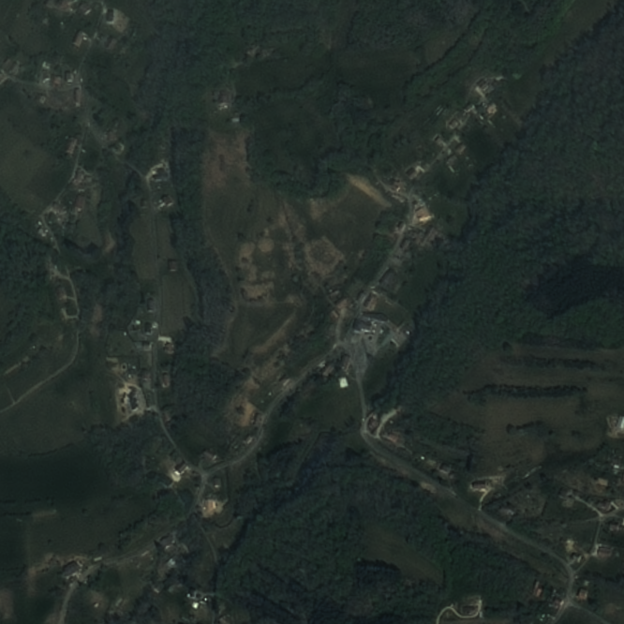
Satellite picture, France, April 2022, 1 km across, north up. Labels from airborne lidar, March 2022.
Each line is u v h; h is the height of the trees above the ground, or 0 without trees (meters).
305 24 18
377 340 0
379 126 17
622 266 18
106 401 0
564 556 0
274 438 0
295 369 0
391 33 14
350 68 0
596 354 0
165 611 0
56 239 11
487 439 0
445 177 0
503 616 10
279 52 9
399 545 0
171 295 0
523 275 24
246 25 14
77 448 0
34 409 0
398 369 17
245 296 15
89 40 0
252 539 22
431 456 8
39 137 0
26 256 28
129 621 28
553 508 0
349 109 26
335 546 18
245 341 0
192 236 22
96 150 0
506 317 24
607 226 25
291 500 20
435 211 0
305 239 0
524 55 22
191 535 18
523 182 28
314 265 0
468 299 28
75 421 0
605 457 0
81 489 0
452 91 11
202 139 19
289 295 0
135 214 30
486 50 16
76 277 11
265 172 17
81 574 0
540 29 19
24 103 0
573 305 12
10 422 0
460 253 21
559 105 29
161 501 16
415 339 20
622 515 0
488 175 17
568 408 0
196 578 24
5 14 0
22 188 0
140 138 15
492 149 0
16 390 0
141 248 0
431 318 26
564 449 0
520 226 29
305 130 0
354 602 26
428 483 0
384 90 0
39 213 0
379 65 0
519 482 0
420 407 18
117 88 0
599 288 18
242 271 8
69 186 6
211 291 26
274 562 24
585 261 15
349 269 8
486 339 19
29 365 7
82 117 0
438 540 24
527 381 0
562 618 0
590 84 29
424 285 0
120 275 22
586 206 27
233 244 0
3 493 0
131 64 0
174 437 9
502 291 24
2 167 0
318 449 0
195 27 21
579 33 0
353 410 0
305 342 16
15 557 0
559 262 25
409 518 22
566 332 19
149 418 18
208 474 0
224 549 0
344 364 0
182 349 19
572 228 29
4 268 21
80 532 0
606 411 0
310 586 19
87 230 0
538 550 0
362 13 9
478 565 15
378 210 0
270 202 0
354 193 0
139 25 8
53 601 0
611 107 26
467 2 27
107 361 0
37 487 0
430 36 16
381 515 18
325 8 28
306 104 0
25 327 17
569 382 0
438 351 28
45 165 0
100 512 0
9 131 0
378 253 10
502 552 7
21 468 0
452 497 0
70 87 0
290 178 20
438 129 0
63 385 0
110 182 19
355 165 25
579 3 0
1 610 0
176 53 25
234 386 12
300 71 0
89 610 0
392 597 16
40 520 0
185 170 22
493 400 0
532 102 0
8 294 10
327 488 23
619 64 26
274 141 0
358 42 18
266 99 19
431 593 19
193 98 31
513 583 16
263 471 18
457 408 0
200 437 0
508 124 0
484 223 21
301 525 22
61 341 0
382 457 0
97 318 0
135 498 0
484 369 0
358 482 23
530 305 24
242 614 0
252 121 17
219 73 19
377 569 20
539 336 13
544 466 0
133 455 22
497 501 6
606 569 0
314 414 0
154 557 0
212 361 14
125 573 0
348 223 0
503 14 21
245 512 21
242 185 0
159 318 0
